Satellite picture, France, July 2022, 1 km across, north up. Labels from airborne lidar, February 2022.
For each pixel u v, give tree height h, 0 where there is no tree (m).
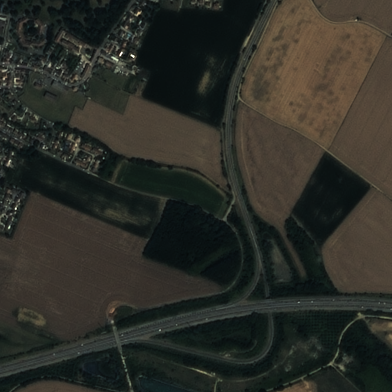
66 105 0
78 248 0
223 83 0
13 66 0
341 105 0
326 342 7
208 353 0
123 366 7
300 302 0
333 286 7
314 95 0
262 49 0
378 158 0
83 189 0
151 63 0
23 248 0
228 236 17
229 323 6
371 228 0
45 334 0
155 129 0
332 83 0
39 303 0
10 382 6
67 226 0
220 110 0
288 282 0
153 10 9
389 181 0
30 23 10
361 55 0
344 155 0
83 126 0
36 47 11
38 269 0
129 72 0
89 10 16
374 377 0
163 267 0
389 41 0
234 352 0
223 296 7
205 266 0
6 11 14
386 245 0
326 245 0
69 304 0
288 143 0
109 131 0
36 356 0
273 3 0
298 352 0
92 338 0
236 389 0
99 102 0
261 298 0
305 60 0
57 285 0
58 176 0
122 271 0
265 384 0
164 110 0
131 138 0
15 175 0
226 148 0
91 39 20
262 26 0
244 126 0
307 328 6
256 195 0
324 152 0
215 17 0
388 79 0
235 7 0
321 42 0
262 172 0
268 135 0
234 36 0
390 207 0
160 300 0
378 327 0
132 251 0
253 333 7
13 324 0
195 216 20
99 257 0
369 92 0
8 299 0
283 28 0
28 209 0
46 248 0
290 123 0
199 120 0
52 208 0
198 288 0
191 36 0
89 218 0
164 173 0
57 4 0
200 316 0
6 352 0
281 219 0
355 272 0
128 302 0
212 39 0
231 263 13
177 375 0
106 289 0
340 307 0
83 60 0
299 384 0
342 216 0
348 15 0
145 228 0
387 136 0
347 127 0
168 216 12
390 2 0
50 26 10
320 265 0
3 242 0
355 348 12
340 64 0
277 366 0
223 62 0
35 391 0
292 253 0
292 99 0
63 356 0
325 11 0
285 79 0
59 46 6
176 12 0
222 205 0
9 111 0
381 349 6
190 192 0
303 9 0
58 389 0
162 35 0
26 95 0
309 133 0
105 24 18
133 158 8
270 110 0
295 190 0
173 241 14
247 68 0
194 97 0
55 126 9
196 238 13
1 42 11
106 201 0
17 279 0
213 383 0
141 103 0
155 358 0
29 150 8
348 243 0
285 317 7
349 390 0
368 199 0
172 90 0
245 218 0
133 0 0
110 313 0
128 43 12
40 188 0
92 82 0
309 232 0
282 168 0
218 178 0
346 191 0
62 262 0
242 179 0
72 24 22
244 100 0
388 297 0
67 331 0
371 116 0
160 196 0
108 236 0
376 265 0
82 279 0
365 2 0
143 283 0
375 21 0
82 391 0
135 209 0
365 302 0
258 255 0
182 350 0
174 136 0
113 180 0
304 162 0
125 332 0
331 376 0
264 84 0
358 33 0
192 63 0
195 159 0
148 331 0
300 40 0
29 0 20
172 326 0
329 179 0
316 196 0
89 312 0
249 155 0
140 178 0
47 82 0
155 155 0
